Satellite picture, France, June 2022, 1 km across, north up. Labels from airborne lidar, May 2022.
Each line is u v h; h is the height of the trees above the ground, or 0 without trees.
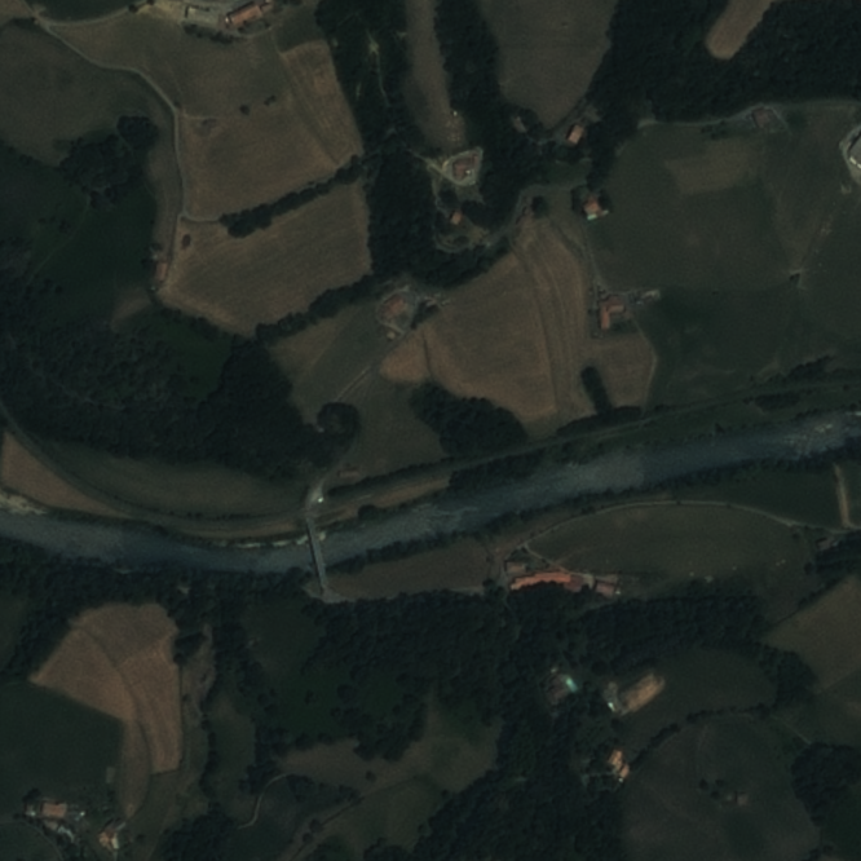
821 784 22
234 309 0
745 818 0
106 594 20
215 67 0
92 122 0
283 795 0
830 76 17
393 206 17
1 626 0
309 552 0
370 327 0
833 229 0
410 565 0
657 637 18
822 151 0
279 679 0
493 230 12
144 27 0
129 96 0
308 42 0
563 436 8
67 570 21
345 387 0
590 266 0
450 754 0
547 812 23
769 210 0
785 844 0
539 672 8
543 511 7
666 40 21
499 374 0
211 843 11
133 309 0
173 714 0
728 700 0
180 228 0
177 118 0
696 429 0
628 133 17
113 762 0
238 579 20
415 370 0
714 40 0
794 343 0
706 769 0
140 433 17
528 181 17
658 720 0
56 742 0
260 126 0
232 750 0
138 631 0
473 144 6
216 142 0
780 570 0
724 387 0
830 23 19
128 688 0
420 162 15
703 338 0
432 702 0
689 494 0
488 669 23
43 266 0
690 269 0
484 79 8
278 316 0
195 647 22
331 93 0
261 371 21
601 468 0
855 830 0
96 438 22
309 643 0
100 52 0
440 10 10
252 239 0
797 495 0
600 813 20
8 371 25
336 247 0
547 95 0
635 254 0
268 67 0
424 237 18
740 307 0
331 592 0
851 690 0
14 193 0
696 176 0
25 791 0
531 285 0
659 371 0
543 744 18
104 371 7
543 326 0
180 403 16
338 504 0
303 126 0
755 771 0
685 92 13
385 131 13
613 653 11
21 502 0
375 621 18
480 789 18
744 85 22
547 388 0
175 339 0
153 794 0
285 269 0
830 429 0
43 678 0
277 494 0
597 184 16
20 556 31
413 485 0
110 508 0
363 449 0
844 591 0
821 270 0
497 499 0
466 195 0
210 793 13
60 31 0
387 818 0
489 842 16
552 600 19
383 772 0
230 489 0
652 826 0
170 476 0
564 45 0
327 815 0
